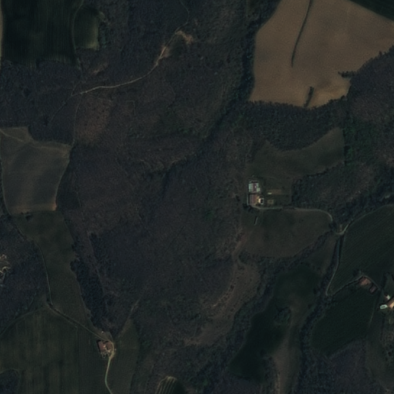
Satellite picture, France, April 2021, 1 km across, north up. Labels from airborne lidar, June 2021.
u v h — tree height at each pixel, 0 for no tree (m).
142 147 9
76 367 0
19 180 0
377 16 0
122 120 18
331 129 17
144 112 10
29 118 17
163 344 16
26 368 0
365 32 0
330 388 16
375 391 13
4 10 0
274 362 15
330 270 11
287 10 0
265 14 14
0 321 18
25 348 0
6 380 17
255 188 0
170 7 15
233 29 6
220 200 12
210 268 16
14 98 20
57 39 0
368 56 0
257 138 13
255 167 0
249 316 9
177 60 7
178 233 14
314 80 0
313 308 15
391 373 0
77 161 17
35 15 0
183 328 14
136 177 13
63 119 15
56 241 0
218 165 13
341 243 7
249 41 23
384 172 10
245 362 0
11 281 17
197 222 15
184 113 12
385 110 14
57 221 0
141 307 16
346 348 10
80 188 11
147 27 18
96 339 0
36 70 11
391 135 21
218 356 24
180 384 0
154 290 15
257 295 11
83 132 11
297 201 14
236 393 14
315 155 0
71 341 0
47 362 0
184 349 14
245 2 10
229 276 13
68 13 0
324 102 0
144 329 15
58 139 16
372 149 9
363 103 17
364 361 15
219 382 22
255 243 0
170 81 12
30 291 14
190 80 9
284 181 0
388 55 13
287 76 0
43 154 0
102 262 18
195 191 14
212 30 14
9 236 13
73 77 10
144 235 14
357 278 8
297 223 0
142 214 20
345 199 10
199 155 29
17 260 21
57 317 0
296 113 12
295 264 8
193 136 18
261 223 0
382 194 18
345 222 16
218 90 10
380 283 0
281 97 0
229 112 11
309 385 18
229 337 8
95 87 8
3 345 0
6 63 19
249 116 16
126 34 21
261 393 7
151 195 10
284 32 0
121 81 16
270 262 8
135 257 17
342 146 0
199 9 18
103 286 8
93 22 0
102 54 20
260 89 0
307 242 0
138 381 6
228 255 15
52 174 0
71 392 0
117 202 12
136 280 17
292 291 0
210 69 15
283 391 0
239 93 20
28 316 0
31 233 0
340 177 9
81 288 9
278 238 0
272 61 0
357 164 8
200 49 25
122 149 12
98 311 13
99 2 16
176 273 14
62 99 10
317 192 7
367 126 14
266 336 0
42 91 13
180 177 20
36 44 0
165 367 11
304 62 0
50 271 0
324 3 0
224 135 14
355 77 12
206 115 12
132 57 15
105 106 15
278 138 13
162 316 22
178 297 15
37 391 0
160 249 16
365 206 14
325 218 0
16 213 0
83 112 12
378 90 18
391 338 11
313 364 21
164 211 14
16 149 0
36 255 12
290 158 0
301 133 15
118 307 17
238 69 13
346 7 0
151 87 8
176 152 21
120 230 6
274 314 0
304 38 0
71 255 0
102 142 17
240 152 10
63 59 0
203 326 10
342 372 19
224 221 11
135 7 20
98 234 6
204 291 13
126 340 0
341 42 0
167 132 10
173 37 14
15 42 0
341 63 0
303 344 25
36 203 0
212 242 15
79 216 8
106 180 18
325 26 0
